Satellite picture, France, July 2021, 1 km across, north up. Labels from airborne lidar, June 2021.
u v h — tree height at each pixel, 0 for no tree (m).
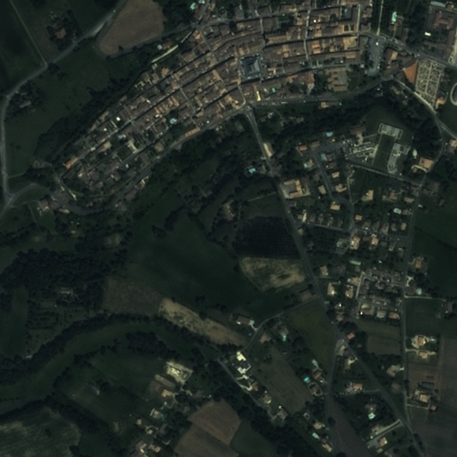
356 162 0
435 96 0
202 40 0
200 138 8
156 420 0
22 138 0
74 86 0
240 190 17
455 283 0
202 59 0
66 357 0
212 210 0
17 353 0
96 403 0
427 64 0
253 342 0
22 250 0
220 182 8
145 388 0
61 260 15
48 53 0
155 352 21
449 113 0
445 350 0
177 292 0
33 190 0
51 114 0
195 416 0
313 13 0
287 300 11
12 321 0
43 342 0
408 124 7
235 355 0
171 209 0
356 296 0
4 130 0
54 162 10
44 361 22
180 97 0
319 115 7
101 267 16
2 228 0
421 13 24
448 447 0
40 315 7
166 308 0
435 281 0
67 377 16
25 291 0
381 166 0
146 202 0
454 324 0
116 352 20
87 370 0
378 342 0
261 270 0
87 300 8
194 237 0
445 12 0
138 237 0
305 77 0
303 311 0
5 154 0
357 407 0
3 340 0
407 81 9
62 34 0
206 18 0
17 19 0
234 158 9
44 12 0
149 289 0
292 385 0
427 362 0
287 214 0
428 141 15
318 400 6
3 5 0
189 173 14
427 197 0
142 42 0
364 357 7
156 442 8
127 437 0
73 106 0
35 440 0
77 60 0
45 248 0
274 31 0
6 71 0
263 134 7
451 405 0
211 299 0
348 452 0
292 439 22
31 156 0
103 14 0
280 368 0
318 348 0
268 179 8
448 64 0
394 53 0
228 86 0
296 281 0
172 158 13
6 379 18
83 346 0
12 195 0
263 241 19
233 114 0
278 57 0
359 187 0
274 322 14
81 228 12
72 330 17
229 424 0
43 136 8
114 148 9
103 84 0
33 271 24
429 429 0
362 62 0
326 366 0
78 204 7
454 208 0
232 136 7
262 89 0
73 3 0
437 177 9
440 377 0
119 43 0
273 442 11
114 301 0
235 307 0
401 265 0
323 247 5
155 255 0
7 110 11
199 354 30
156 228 17
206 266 0
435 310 6
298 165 13
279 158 15
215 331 0
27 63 0
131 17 0
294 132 10
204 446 0
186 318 0
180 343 0
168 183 8
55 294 9
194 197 7
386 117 0
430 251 0
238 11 0
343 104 10
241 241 16
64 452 0
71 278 24
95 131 7
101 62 0
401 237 0
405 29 0
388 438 0
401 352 7
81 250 30
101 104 13
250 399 25
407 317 0
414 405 0
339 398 9
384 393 0
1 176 0
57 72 11
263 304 0
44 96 6
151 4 0
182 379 0
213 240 8
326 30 0
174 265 0
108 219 8
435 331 0
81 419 18
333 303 9
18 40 0
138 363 0
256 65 0
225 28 0
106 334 0
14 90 0
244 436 0
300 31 0
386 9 6
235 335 0
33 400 0
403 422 0
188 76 0
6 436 0
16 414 17
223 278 0
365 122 6
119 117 0
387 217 0
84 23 0
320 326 0
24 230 7
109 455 0
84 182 7
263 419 15
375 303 0
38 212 0
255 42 0
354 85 0
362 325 0
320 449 0
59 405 19
